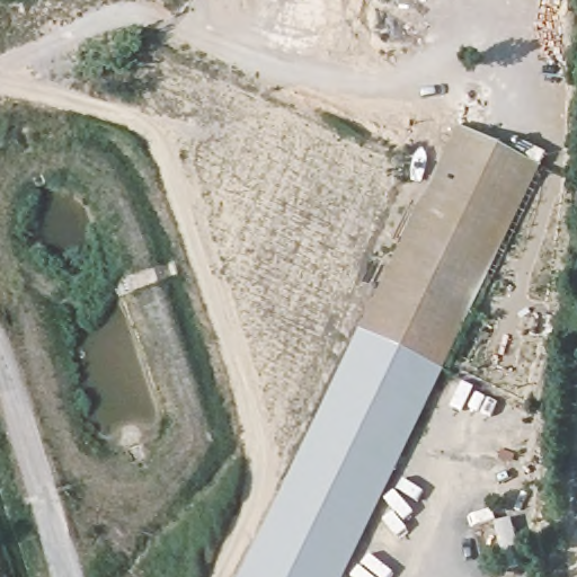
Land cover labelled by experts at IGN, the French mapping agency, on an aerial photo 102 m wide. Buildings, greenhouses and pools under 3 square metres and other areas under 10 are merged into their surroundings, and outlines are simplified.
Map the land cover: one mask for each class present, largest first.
<instances>
[{"label":"impervious surface","instance_id":"1","mask_svg":"<svg viewBox=\"0 0 577 577\"><path fill-rule=\"evenodd\" d=\"M153 7H162L156 16V23L151 25L167 34L169 45L176 47L187 43L192 45V50H201L210 59L228 63L219 72V79H207V74L196 68L162 61L160 81L156 90L144 92L137 106L144 115H169L174 119L194 117L198 122V126L194 128V137L185 142V147L180 149L183 176L189 183L201 185V196L192 203L194 225L203 241V250L212 275L221 277L232 289L234 309L239 313L243 336L248 338L257 376H266V383L261 388L266 421L275 428L277 455L284 462V469L279 471L275 482V489L279 491L336 379L338 365L347 354V347L356 329H361L370 320V309L376 298L381 275V266L376 261L379 257L397 250V246L392 243V234L399 223V207H403L408 201H419L426 192L424 180L435 169L433 144L437 142L440 131L451 133L458 124L464 122L467 128L491 135L512 151H525L532 160H539V167L514 212V219L491 261L489 275L473 307L485 313L487 322L480 325L471 352L460 363V374L455 376L458 381L449 383L440 374L403 444V451L390 478L379 491V500L370 514V521L352 557L347 559L345 572L340 577H485L480 572V563L469 557L464 541L478 539L487 545L509 548L514 541L512 521L516 516L527 518V527L532 532H541L548 527L545 516L541 512L543 498L539 491V480L548 473L539 442L543 430V417L541 412L527 410V399H539L543 392V372L548 363L545 343L552 334V318L559 311L557 284L559 275L566 268V255L570 246V232L566 228L568 189L566 180L557 174L559 167H566L570 160L566 137L570 131V101L575 97V88L568 81L552 83L543 74V65L568 63L566 52L572 45V18L568 11V0H419L428 7V14H417L412 7H408L397 16L410 34H417L419 41L415 45L408 41H381L376 36V20L361 25V0H149ZM509 38L539 41V50L530 52L516 63L480 65L467 70L458 59V52L462 47L480 50H489L491 45H498ZM325 110L367 128V142L361 147L356 140L343 137L336 131L327 128L320 119ZM530 307H543L541 334H534V320L527 316Z\"/></svg>","mask_w":577,"mask_h":577},{"label":"deciduous trees","instance_id":"2","mask_svg":"<svg viewBox=\"0 0 577 577\"><path fill-rule=\"evenodd\" d=\"M568 11L572 18V45L566 52L568 63L543 65V74L552 83L568 81L575 88V97L570 101V131L566 137L570 160L566 167H559L557 174L566 180L568 189L566 228L570 232V246L566 255V268L559 275L557 284L559 311L552 318V334L545 343L548 363L543 372V392L539 399H527V410L541 412L543 417V430L539 442L548 473L539 480V491L543 498L541 512L545 516L548 527L541 532H532L527 527V518L516 516L512 521L514 541L509 548L487 545L478 539L464 541L469 557L480 563V572L485 577H577V541L568 534V525L559 521L554 485L559 476L554 473V460L557 421L561 417V408H570L577 403V0H568ZM144 27L128 25L122 29H110L99 36L86 38L79 47V63L74 68L77 79L72 83V90H79L83 95L97 99L113 97L124 104L137 106L144 92L156 90L160 81L153 74L147 79H137V70H131L128 56L137 50L140 32ZM458 59L467 70L480 65V50L462 47L458 52ZM153 160L149 142L124 124L74 110L38 108L25 99L0 97V196L9 201L7 237L11 241V252L18 259L23 291L36 304V313L41 320L38 327L47 336V345L43 349L52 358L54 379L59 388L56 397L61 399L59 406L65 415L72 410H88V399L83 392L72 349L74 336L81 329H92L108 302H119L117 286L126 275L133 273V255L128 252V246L110 239V225L122 223L115 203L126 198L144 234L156 279L167 300L174 329L185 349V358L196 385L203 417L212 433V442L205 455L198 460V467L192 473V478L178 489V494L167 503V507H162L156 514L151 523L140 527L135 545L126 554L117 552L113 545L101 548L97 557L81 570L79 577H196V554L221 525V512L230 503L237 487L239 460L246 455V446L241 440L234 435V415L225 408V397L214 379L210 352L203 340V329L196 322L192 300L187 295V277L178 273L169 275L167 268L176 250L171 248L169 234L165 232L147 196L144 180L137 174L140 167L151 165ZM43 185L50 192L72 196L81 210L90 207L95 212V221H86L83 246H72L65 252L50 255L41 243L32 246L27 241V223L34 219L38 187ZM320 119L327 128L336 131L343 137L356 140L361 147L367 142V128L325 110ZM487 322L485 313L473 307L449 356L444 358L440 374L449 383L458 381L455 376L460 374V363L471 352L480 325ZM0 577H52L43 552V541L32 514V505L25 503L23 476L14 460L5 424L0 419Z\"/></svg>","mask_w":577,"mask_h":577},{"label":"herbaceous vegetation","instance_id":"3","mask_svg":"<svg viewBox=\"0 0 577 577\"><path fill-rule=\"evenodd\" d=\"M133 0H0V54L9 47L43 38V25L47 23L68 25L72 20L83 18L92 7ZM408 7H412L417 14H428V7L419 0H361V25L376 20V36L381 41H408L415 45L419 41L417 34H410L397 16ZM137 174L144 180L147 196L165 232L169 234L171 248L176 250L167 268L169 275L178 273L187 277V295L192 300L196 322L203 329V340L210 352L214 379L225 397V408L234 415V435L241 440L243 428L237 417V401L230 385L228 365L221 354V343L212 327L203 291L187 257L180 225L169 203L160 167L153 160L151 165L140 167ZM86 221H95V212L90 207L81 210L72 196L50 192L43 185L38 187L34 219L27 223V241L32 246L41 243L50 255L65 252L72 246H83ZM122 223L110 225V239L128 246V252L133 255V273L126 275L117 286L119 302H108L92 329H81L74 336L72 349L83 392L88 388H95L99 392L101 401L95 412L101 426L99 437H104L108 444H117L110 451V455L104 460L83 455L77 449L65 415L59 406L61 399L56 397L59 388L54 379L52 358L43 349L47 345V336L38 327L41 320L36 313V304L23 291L18 259L11 252V241L7 237L9 201L0 196V325L14 349V358L18 363L20 379L29 394L45 453L52 462L54 482L65 509L68 530L77 548L81 570L97 557L101 548L113 545L117 552L126 554L135 545L140 527L151 523L156 514L162 507H167V503L178 494V489L192 478V473L198 467V460L205 455L212 442V433L203 417L196 385L185 358V349L174 329L167 300L156 279L144 234L126 198L115 203Z\"/></svg>","mask_w":577,"mask_h":577},{"label":"building","instance_id":"4","mask_svg":"<svg viewBox=\"0 0 577 577\"><path fill-rule=\"evenodd\" d=\"M435 169L424 180L426 192L419 201H408L403 207H399V223L392 234V243L397 246V250L379 257L376 261L381 266V275L376 298L370 309V320L361 329H356L347 347V354L338 365L336 379L279 491L259 532V539L255 541L243 563L241 572L246 577H340L345 572L347 559L352 557L370 521V514L379 500V491L390 478L403 451V444L440 374L444 358L449 356L473 307L489 275L491 261L514 219V212L539 167V160H532L525 151H512L491 135L467 128L464 122L458 124L451 133L440 131L437 142L433 144ZM527 316L534 320V334H541L543 307H530Z\"/></svg>","mask_w":577,"mask_h":577},{"label":"pervious surface","instance_id":"5","mask_svg":"<svg viewBox=\"0 0 577 577\"><path fill-rule=\"evenodd\" d=\"M162 7H153L149 0H133L92 7L83 18L72 20L68 25L47 23L43 25V38L9 47L0 54V97L25 99L38 108L74 110L124 124L149 142L153 160L160 167L169 203L180 225L187 257L203 291L212 327L221 343V354L228 365L230 385L237 401V417L243 428L241 440L246 446V455L252 478L250 494L243 500L239 518L221 548V554L214 566L216 577H246L241 572L243 563L255 541L259 539V532L279 491L275 489V482L279 471L284 469V462L277 455L275 428L266 421L261 388L266 383V376H257L248 338L243 336L239 313L234 309L232 289L221 277L212 275L203 250V241L194 225L192 203L201 196V185L189 183L183 176L180 149L185 147V142L194 137V128L198 126V122L194 117L174 119L169 115H144L137 106L124 104L113 97L97 99L83 95L79 90H72V83L77 79L74 68L79 63V47L86 38L99 36L110 29H122L128 25L144 27L151 25L156 23V16ZM0 419L5 424L14 460L23 476L25 503L32 505V514L43 541V552L52 577H79L81 570L77 548L68 530L65 509L54 482L52 462L45 453L29 394L20 379L18 363L14 358V349L0 325Z\"/></svg>","mask_w":577,"mask_h":577},{"label":"brushwood","instance_id":"6","mask_svg":"<svg viewBox=\"0 0 577 577\"><path fill-rule=\"evenodd\" d=\"M88 399V410H72L65 415L77 449L83 455L104 460L110 455V451L117 444H108L104 437H99L101 426L95 412L101 401L99 392L95 388H88L83 392ZM252 478L246 455L239 460L237 487L230 503L221 512V525L196 554V577H216L214 566L221 554V548L239 518L243 500L250 494Z\"/></svg>","mask_w":577,"mask_h":577},{"label":"coniferous trees","instance_id":"7","mask_svg":"<svg viewBox=\"0 0 577 577\"><path fill-rule=\"evenodd\" d=\"M131 70H137V79H147L153 74L160 81L162 61L196 68L207 74V79H219V72L228 63L210 59L201 50H192V45L187 43L176 47L169 45L167 34L151 25L144 27L140 32L137 50L128 56ZM539 50V41L509 38L498 45H491L489 50H480V65L516 63L530 52Z\"/></svg>","mask_w":577,"mask_h":577},{"label":"vineyard","instance_id":"8","mask_svg":"<svg viewBox=\"0 0 577 577\"><path fill-rule=\"evenodd\" d=\"M554 473L559 476L554 485L559 521L568 525V534L577 541V403L570 408H561V417L557 421L554 460Z\"/></svg>","mask_w":577,"mask_h":577}]
</instances>
